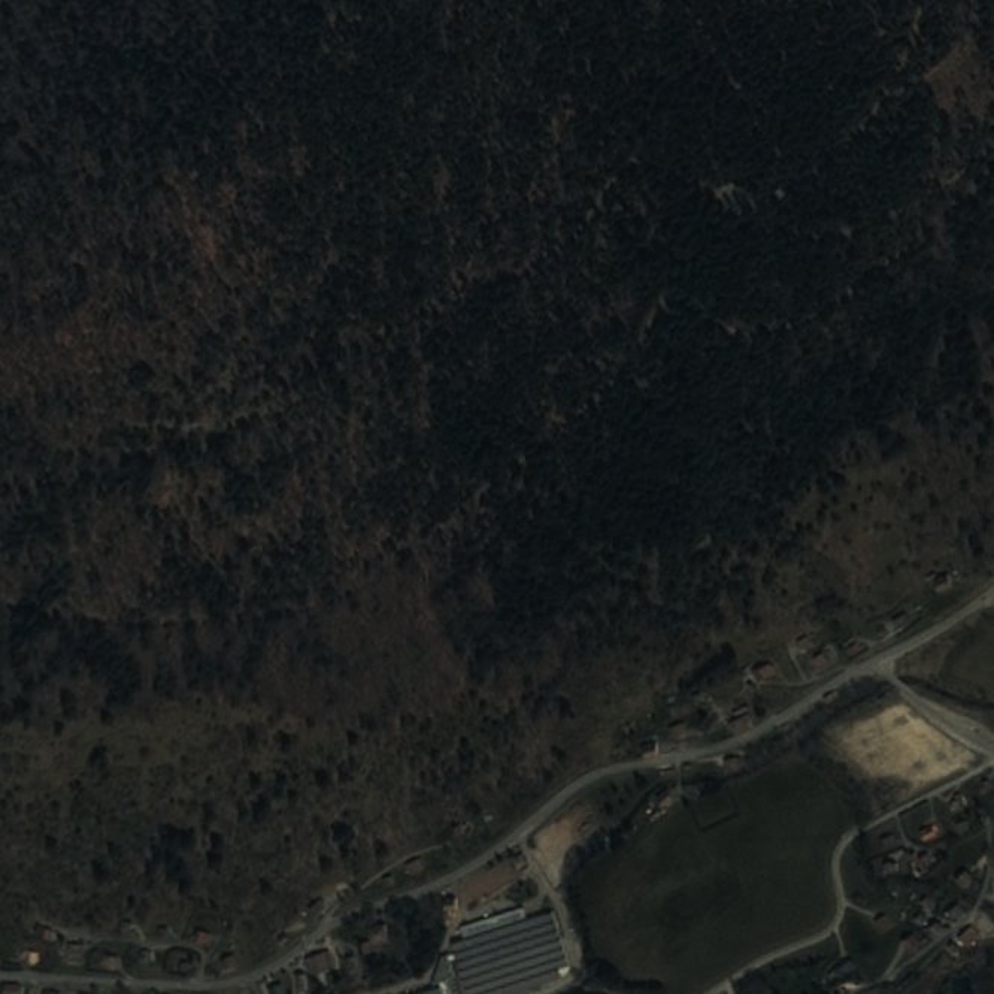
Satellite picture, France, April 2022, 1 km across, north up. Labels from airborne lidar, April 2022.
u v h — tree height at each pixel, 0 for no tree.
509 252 35
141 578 24
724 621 20
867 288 30
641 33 31
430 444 28
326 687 25
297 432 27
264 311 18
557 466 27
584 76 33
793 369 16
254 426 16
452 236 28
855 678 0
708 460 18
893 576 17
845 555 0
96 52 21
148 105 12
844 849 0
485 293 33
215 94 24
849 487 6
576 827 0
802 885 0
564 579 29
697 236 37
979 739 0
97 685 11
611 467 35
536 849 0
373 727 21
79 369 22
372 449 35
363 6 26
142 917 15
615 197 8
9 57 9
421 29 28
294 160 19
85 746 0
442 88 28
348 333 35
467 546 24
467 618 31
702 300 33
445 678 20
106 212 18
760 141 28
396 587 23
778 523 13
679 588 17
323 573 21
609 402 37
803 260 31
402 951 17
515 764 19
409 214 22
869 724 0
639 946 0
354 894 16
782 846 0
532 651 26
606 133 35
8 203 21
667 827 0
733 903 0
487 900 0
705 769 0
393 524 28
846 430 29
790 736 16
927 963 0
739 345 20
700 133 24
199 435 15
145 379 22
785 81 33
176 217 22
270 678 24
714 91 31
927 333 24
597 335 12
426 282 25
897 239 23
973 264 27
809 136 23
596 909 0
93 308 18
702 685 16
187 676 24
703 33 24
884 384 30
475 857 9
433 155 31
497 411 33
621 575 15
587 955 10
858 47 30
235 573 29
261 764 0
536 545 32
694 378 28
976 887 0
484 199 33
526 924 0
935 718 0
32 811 12
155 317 18
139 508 6
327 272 30
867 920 0
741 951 0
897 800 0
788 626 0
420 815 14
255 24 26
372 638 28
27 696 8
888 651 0
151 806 0
